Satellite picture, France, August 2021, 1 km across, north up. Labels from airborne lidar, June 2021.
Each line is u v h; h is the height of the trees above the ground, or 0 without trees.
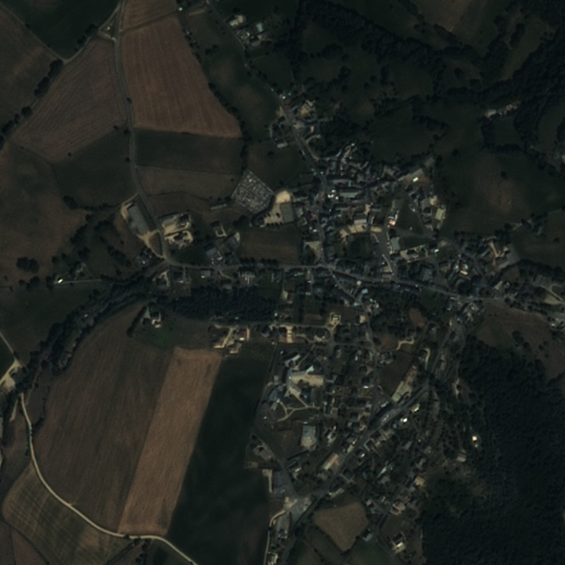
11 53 0
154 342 0
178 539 0
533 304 8
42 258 0
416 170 0
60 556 0
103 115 0
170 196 0
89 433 0
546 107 15
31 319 0
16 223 0
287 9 0
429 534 19
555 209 0
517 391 23
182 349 0
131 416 0
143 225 0
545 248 0
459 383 0
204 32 0
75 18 0
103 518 0
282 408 0
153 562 0
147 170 0
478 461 10
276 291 0
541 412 17
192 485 0
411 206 0
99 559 0
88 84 0
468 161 0
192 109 0
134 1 0
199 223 0
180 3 12
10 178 0
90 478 0
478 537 16
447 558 12
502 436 15
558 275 15
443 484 13
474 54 17
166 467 0
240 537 0
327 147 7
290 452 0
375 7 0
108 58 0
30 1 0
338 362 0
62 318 0
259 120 0
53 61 0
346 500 0
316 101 7
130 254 0
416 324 0
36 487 0
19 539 0
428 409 7
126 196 0
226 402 0
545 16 23
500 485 11
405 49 31
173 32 0
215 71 0
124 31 0
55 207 0
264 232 0
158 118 0
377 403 0
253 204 0
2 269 0
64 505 0
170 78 0
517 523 16
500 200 0
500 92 25
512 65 0
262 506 0
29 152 0
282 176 0
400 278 5
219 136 0
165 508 0
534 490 19
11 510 0
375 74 0
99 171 0
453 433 8
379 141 0
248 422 0
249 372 0
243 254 0
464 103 18
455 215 0
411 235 0
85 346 0
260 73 11
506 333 0
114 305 7
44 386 0
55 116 0
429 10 0
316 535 0
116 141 0
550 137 0
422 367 12
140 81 0
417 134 0
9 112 0
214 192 0
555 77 17
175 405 0
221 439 0
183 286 0
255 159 0
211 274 0
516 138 0
